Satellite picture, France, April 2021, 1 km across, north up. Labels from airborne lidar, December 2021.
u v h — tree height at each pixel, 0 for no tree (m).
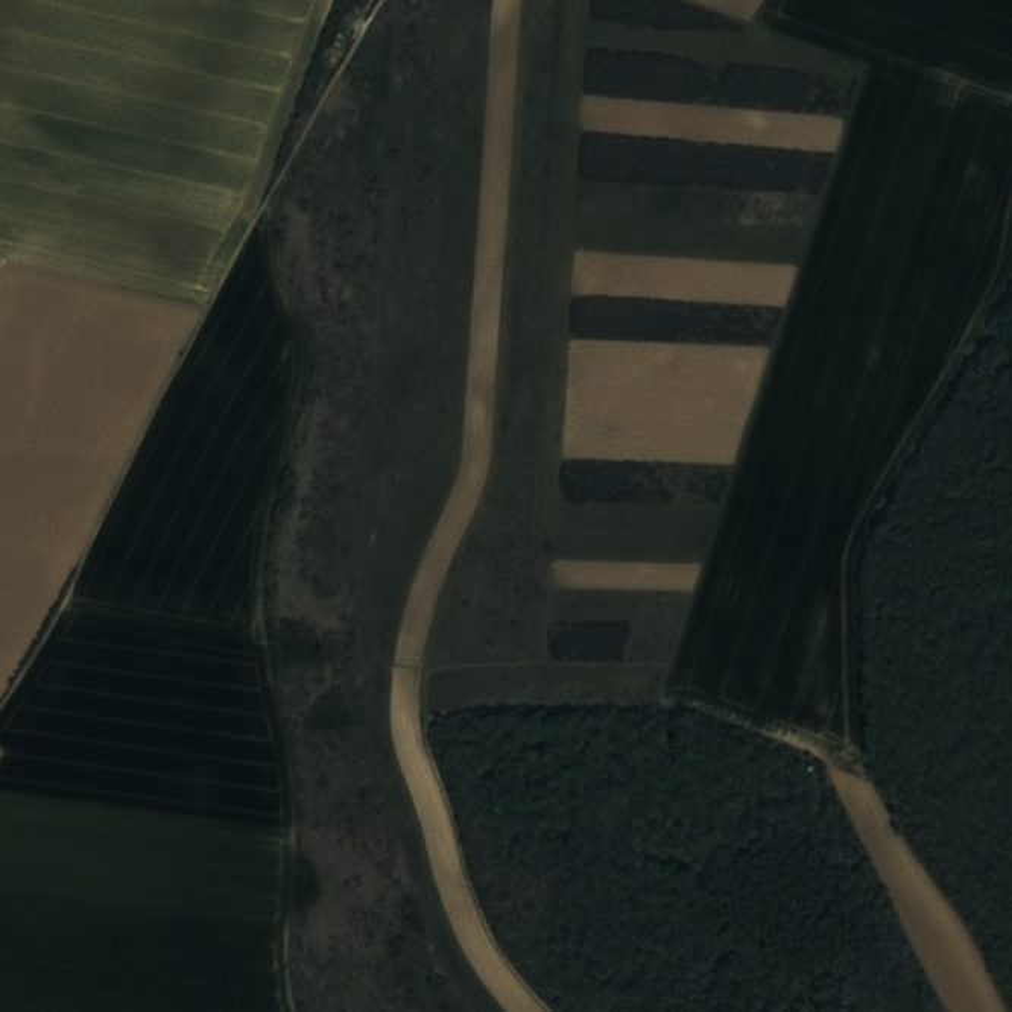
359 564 0
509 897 13
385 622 0
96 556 0
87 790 0
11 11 0
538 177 0
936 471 17
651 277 0
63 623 0
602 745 22
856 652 0
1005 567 22
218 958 0
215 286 0
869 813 0
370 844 0
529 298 0
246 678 0
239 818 0
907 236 0
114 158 0
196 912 0
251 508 0
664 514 0
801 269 0
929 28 0
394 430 0
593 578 0
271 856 0
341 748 0
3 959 0
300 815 0
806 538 0
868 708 17
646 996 20
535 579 0
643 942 18
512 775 19
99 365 0
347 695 0
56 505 0
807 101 0
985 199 0
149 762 0
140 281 0
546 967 17
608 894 23
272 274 0
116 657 0
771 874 21
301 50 0
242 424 0
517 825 21
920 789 18
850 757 0
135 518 0
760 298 0
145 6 0
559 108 0
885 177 0
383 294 0
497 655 0
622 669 0
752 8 0
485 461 0
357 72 0
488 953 0
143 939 0
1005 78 0
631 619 0
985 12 0
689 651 0
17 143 0
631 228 0
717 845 17
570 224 0
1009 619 24
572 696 0
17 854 0
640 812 22
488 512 0
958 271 0
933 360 0
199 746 0
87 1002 0
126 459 0
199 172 0
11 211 0
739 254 0
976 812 23
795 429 0
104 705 0
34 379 0
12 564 0
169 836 0
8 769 0
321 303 0
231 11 0
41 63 0
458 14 0
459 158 0
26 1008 0
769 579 0
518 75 0
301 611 0
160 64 0
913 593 22
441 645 0
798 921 22
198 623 0
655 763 17
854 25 0
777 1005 19
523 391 0
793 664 0
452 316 0
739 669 0
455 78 0
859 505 0
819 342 0
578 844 22
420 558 0
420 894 0
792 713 0
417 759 0
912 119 0
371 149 0
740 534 0
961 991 0
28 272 0
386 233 0
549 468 0
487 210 0
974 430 19
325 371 0
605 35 0
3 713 0
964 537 22
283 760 0
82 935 0
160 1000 0
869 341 0
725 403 0
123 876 0
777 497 0
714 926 20
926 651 22
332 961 0
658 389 0
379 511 0
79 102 0
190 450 0
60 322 0
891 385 0
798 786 18
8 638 0
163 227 0
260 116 0
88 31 0
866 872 18
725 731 12
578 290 0
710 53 0
